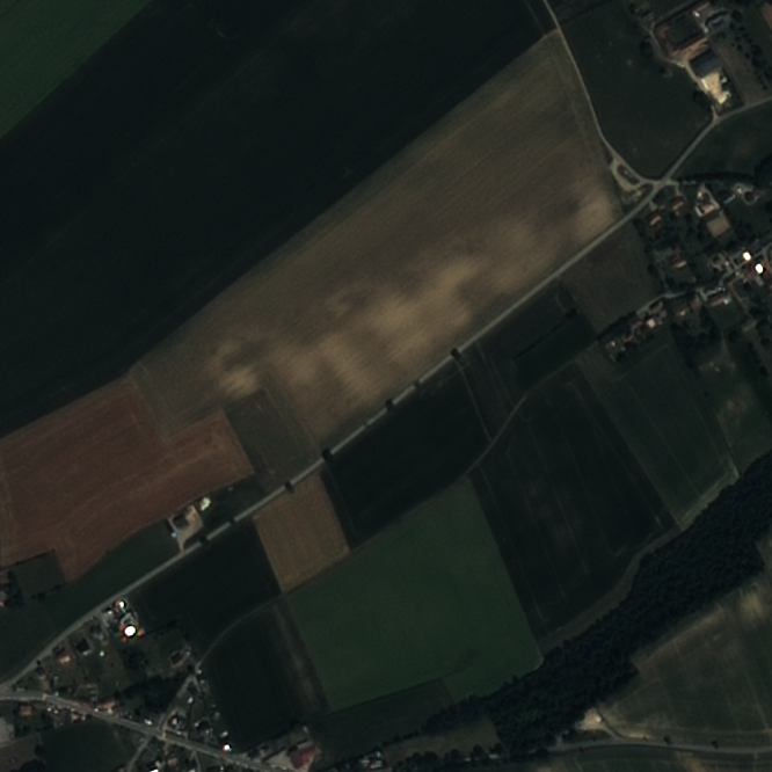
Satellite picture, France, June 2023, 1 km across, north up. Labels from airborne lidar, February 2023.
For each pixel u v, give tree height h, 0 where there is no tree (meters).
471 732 0
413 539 0
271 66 0
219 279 0
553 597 0
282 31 0
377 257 0
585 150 0
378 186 0
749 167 0
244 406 0
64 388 0
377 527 0
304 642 0
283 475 0
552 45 0
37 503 0
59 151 0
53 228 0
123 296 0
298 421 0
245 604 0
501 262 0
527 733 13
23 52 0
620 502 0
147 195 0
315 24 0
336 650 0
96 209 0
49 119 0
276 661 0
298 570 0
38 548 0
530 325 0
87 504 0
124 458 0
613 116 0
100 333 0
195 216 0
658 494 0
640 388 0
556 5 0
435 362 0
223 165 0
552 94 0
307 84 0
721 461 0
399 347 0
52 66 0
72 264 0
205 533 0
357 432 0
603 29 0
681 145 0
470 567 0
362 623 0
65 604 0
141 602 0
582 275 0
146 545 0
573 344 0
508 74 0
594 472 0
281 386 0
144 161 0
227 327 0
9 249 0
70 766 0
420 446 0
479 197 0
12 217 0
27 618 0
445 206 0
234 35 0
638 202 0
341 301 0
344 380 0
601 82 0
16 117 0
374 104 0
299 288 0
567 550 0
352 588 0
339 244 0
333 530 0
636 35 0
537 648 0
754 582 0
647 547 0
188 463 0
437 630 0
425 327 0
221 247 0
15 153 0
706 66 0
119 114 0
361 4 0
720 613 0
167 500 0
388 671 0
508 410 0
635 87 0
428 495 0
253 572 0
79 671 0
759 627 0
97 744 0
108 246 0
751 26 0
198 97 0
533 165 0
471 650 0
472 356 0
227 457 0
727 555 15
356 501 0
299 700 0
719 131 0
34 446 0
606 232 0
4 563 0
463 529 0
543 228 0
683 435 0
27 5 0
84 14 0
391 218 0
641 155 0
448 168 0
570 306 0
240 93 0
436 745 0
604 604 0
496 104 0
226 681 0
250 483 0
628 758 0
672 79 0
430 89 0
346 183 0
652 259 7
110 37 0
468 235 0
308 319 0
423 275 0
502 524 0
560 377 0
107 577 0
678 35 0
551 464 0
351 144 0
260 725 0
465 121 0
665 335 0
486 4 0
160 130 0
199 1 0
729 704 0
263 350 0
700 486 0
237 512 0
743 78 0
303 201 0
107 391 0
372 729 0
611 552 0
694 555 11
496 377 0
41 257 0
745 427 0
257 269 0
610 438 0
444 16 0
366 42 0
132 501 0
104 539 0
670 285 15
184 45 0
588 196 0
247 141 0
